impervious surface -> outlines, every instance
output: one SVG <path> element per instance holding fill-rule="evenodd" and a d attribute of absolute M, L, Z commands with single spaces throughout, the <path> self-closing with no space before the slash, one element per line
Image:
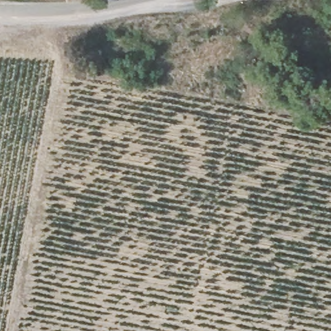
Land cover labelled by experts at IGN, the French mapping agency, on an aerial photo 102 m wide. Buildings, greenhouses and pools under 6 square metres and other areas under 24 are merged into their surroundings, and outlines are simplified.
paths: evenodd
<path fill-rule="evenodd" d="M 197 8 L 193 0 L 0 0 L 0 25 L 91 27 L 103 23 L 133 14 L 191 12 Z"/>

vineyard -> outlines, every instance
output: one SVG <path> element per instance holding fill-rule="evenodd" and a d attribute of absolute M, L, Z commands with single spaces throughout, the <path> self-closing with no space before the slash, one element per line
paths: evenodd
<path fill-rule="evenodd" d="M 52 85 L 54 61 L 0 57 L 0 331 L 5 331 L 8 310 L 3 310 L 3 305 L 9 305 L 12 300 L 23 226 L 34 180 L 37 149 L 43 133 L 45 107 Z"/>
<path fill-rule="evenodd" d="M 162 57 L 173 65 L 173 70 L 169 72 L 172 83 L 149 87 L 145 92 L 140 92 L 137 89 L 122 88 L 122 78 L 111 78 L 105 74 L 91 76 L 88 72 L 75 71 L 75 78 L 80 81 L 71 81 L 71 85 L 79 89 L 70 89 L 66 115 L 61 119 L 62 133 L 59 138 L 53 138 L 53 141 L 65 144 L 62 146 L 65 154 L 62 154 L 62 158 L 54 159 L 54 162 L 79 165 L 79 171 L 76 175 L 65 173 L 62 177 L 47 178 L 47 181 L 41 184 L 61 189 L 66 197 L 75 198 L 74 208 L 71 212 L 66 212 L 63 204 L 52 204 L 47 209 L 48 216 L 43 222 L 43 231 L 49 231 L 52 235 L 47 240 L 41 240 L 41 248 L 34 256 L 47 257 L 48 261 L 23 262 L 23 273 L 34 275 L 36 283 L 50 284 L 52 288 L 34 286 L 34 294 L 26 296 L 26 299 L 34 303 L 35 308 L 28 313 L 28 317 L 19 319 L 19 331 L 331 331 L 331 125 L 319 123 L 317 129 L 310 129 L 308 123 L 301 120 L 301 127 L 297 127 L 292 118 L 288 118 L 291 111 L 286 107 L 282 106 L 275 112 L 269 111 L 269 102 L 260 97 L 260 94 L 265 93 L 265 87 L 255 85 L 242 89 L 242 100 L 239 101 L 225 94 L 225 84 L 221 84 L 220 79 L 206 78 L 209 66 L 213 66 L 213 71 L 217 71 L 219 66 L 224 65 L 225 59 L 243 58 L 240 41 L 246 39 L 247 35 L 260 32 L 260 27 L 252 30 L 246 25 L 240 31 L 222 25 L 222 13 L 228 13 L 231 6 L 243 0 L 193 0 L 197 8 L 191 12 L 133 14 L 103 23 L 107 28 L 140 22 L 149 25 L 149 32 L 155 35 L 156 39 L 165 40 L 171 45 Z"/>

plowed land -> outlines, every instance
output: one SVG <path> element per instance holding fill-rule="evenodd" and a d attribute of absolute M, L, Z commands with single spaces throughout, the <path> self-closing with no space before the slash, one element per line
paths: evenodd
<path fill-rule="evenodd" d="M 41 184 L 47 181 L 47 178 L 62 177 L 65 173 L 76 175 L 79 171 L 79 165 L 54 162 L 54 159 L 62 158 L 62 154 L 65 154 L 62 146 L 65 144 L 53 141 L 53 138 L 59 138 L 62 133 L 61 119 L 66 115 L 70 89 L 79 89 L 71 85 L 71 81 L 80 81 L 75 78 L 75 71 L 74 63 L 63 53 L 63 47 L 67 41 L 84 34 L 91 27 L 0 25 L 0 57 L 54 61 L 52 85 L 45 107 L 43 133 L 37 149 L 34 180 L 23 226 L 12 300 L 9 305 L 3 305 L 3 310 L 8 310 L 5 331 L 19 331 L 19 319 L 28 317 L 28 313 L 35 308 L 34 303 L 26 299 L 26 296 L 34 294 L 34 286 L 52 288 L 50 284 L 36 283 L 34 275 L 23 273 L 23 262 L 48 261 L 47 257 L 34 256 L 41 248 L 41 240 L 47 240 L 52 235 L 49 231 L 43 231 L 43 222 L 48 216 L 47 209 L 52 204 L 63 204 L 66 212 L 71 212 L 74 208 L 75 198 L 66 197 L 61 189 Z"/>

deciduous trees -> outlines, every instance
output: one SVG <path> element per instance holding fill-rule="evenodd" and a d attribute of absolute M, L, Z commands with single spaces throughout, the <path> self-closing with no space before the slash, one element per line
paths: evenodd
<path fill-rule="evenodd" d="M 156 39 L 155 35 L 149 32 L 149 25 L 140 22 L 107 28 L 103 23 L 91 27 L 84 34 L 67 41 L 63 47 L 63 53 L 74 63 L 75 71 L 88 72 L 91 76 L 105 74 L 111 78 L 122 78 L 122 88 L 137 89 L 140 92 L 145 92 L 149 87 L 172 83 L 169 72 L 173 70 L 173 65 L 162 57 L 171 45 L 165 40 Z"/>
<path fill-rule="evenodd" d="M 265 87 L 265 93 L 260 94 L 260 97 L 269 102 L 269 111 L 275 112 L 282 106 L 286 107 L 291 111 L 288 118 L 292 118 L 297 127 L 301 127 L 301 120 L 308 123 L 310 129 L 317 129 L 319 123 L 331 125 L 331 0 L 243 0 L 231 6 L 228 13 L 222 13 L 222 25 L 240 31 L 246 25 L 252 30 L 260 27 L 260 32 L 247 35 L 246 39 L 240 41 L 243 58 L 225 59 L 224 65 L 219 66 L 217 71 L 213 71 L 213 66 L 209 66 L 206 78 L 220 79 L 221 84 L 225 84 L 225 94 L 239 101 L 242 100 L 242 89 L 255 85 Z"/>

